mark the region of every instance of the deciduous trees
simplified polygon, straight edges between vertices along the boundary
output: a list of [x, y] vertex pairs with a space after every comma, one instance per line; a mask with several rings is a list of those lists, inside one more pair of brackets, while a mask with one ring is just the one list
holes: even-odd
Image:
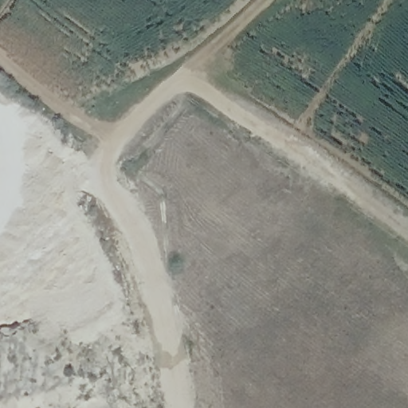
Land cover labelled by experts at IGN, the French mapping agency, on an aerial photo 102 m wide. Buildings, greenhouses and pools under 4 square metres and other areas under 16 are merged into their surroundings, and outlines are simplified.
[[29, 89], [25, 89], [0, 65], [0, 92], [8, 99], [13, 99], [16, 104], [27, 108], [32, 100], [35, 102], [38, 97]]

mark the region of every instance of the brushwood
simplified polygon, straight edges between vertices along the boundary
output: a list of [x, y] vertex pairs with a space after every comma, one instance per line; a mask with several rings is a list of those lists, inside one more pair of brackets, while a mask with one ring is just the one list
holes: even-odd
[[140, 167], [148, 161], [148, 153], [145, 150], [140, 153], [139, 158], [126, 159], [123, 163], [121, 172], [132, 180], [140, 171]]
[[53, 121], [54, 129], [59, 129], [61, 134], [72, 134], [75, 142], [86, 142], [92, 137], [88, 132], [65, 120], [61, 113], [51, 110], [38, 97], [35, 102], [32, 100], [27, 108]]
[[180, 273], [180, 269], [188, 268], [190, 261], [183, 260], [182, 255], [178, 253], [171, 253], [167, 265], [167, 273], [171, 276]]

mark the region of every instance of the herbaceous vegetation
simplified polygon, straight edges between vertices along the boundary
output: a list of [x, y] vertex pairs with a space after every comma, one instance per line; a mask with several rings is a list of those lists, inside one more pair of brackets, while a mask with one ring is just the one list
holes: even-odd
[[84, 368], [96, 359], [96, 352], [84, 346], [78, 357], [84, 357], [84, 360], [80, 362], [78, 370], [73, 368], [72, 376], [96, 381], [96, 373], [88, 373]]
[[86, 142], [75, 142], [72, 134], [61, 134], [61, 142], [65, 147], [81, 151], [86, 156], [91, 156], [99, 147], [99, 143], [96, 137], [92, 137]]
[[116, 252], [118, 242], [115, 239], [115, 223], [107, 214], [107, 210], [97, 204], [96, 196], [84, 191], [78, 206], [83, 207], [86, 215], [91, 218], [92, 225], [96, 226], [97, 237], [112, 265], [116, 284], [121, 284], [124, 274], [129, 271], [129, 265]]
[[349, 220], [352, 225], [362, 228], [365, 233], [365, 247], [371, 253], [379, 253], [381, 257], [387, 252], [390, 255], [398, 253], [398, 257], [402, 257], [408, 263], [408, 241], [376, 218], [367, 217], [357, 204], [339, 193], [335, 198], [335, 217], [338, 220]]
[[164, 408], [163, 390], [142, 400], [135, 389], [132, 390], [132, 394], [135, 397], [135, 408]]

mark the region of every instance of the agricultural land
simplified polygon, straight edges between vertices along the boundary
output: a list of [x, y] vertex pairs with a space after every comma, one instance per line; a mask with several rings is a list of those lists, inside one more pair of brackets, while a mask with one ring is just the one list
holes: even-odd
[[139, 193], [139, 199], [145, 206], [145, 215], [150, 218], [151, 228], [155, 231], [161, 260], [167, 265], [171, 253], [178, 253], [182, 255], [183, 260], [190, 261], [188, 268], [180, 269], [180, 273], [171, 276], [174, 288], [172, 303], [177, 304], [188, 322], [188, 327], [183, 330], [182, 343], [188, 346], [190, 355], [194, 408], [408, 408], [408, 263], [402, 257], [398, 257], [398, 253], [390, 255], [387, 252], [381, 257], [379, 253], [371, 253], [365, 247], [365, 233], [362, 228], [352, 225], [349, 220], [338, 220], [335, 217], [335, 198], [339, 193], [335, 186], [322, 186], [314, 178], [301, 175], [298, 164], [285, 156], [280, 156], [268, 142], [261, 137], [255, 137], [249, 129], [229, 120], [209, 102], [194, 96], [191, 92], [177, 94], [174, 99], [158, 108], [155, 115], [148, 118], [147, 123], [143, 124], [131, 142], [127, 143], [118, 158], [123, 163], [126, 159], [139, 158], [140, 153], [145, 150], [148, 153], [148, 161], [140, 167], [140, 171], [132, 180], [121, 172], [116, 180], [129, 193]]
[[290, 127], [298, 137], [308, 140], [312, 148], [324, 151], [325, 155], [330, 156], [335, 163], [341, 164], [346, 171], [357, 175], [367, 185], [373, 186], [375, 198], [382, 194], [384, 198], [389, 199], [394, 204], [392, 209], [395, 214], [408, 217], [408, 0], [274, 0], [229, 45], [218, 49], [214, 62], [207, 62], [207, 80], [225, 94], [241, 97], [245, 102], [260, 108], [261, 112], [273, 116], [274, 120]]
[[49, 86], [51, 91], [59, 91], [62, 99], [72, 99], [75, 104], [80, 105], [86, 115], [102, 121], [115, 121], [120, 120], [132, 105], [139, 104], [143, 97], [148, 96], [161, 81], [180, 69], [194, 54], [206, 48], [210, 41], [217, 38], [229, 24], [241, 18], [257, 0], [0, 0], [0, 48], [5, 51], [6, 56], [11, 57], [14, 64], [30, 73], [35, 80]]

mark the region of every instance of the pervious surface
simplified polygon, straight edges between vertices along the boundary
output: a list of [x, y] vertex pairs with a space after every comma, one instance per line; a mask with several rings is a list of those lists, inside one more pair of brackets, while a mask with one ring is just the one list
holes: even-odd
[[[143, 97], [139, 104], [132, 105], [120, 120], [115, 121], [112, 137], [99, 143], [99, 147], [91, 156], [86, 156], [81, 151], [65, 147], [61, 142], [61, 134], [59, 129], [54, 129], [53, 121], [27, 108], [16, 104], [13, 99], [8, 99], [0, 92], [0, 408], [135, 408], [135, 397], [132, 394], [132, 390], [135, 389], [142, 400], [163, 390], [164, 408], [194, 408], [190, 355], [188, 346], [182, 343], [183, 330], [188, 327], [188, 322], [177, 304], [172, 303], [174, 288], [171, 276], [167, 273], [167, 265], [161, 260], [155, 231], [151, 228], [150, 218], [145, 215], [145, 206], [139, 199], [139, 193], [129, 193], [116, 180], [121, 172], [123, 163], [118, 158], [127, 143], [131, 142], [143, 124], [147, 123], [148, 118], [155, 115], [158, 108], [174, 99], [177, 94], [191, 92], [194, 96], [209, 102], [229, 120], [249, 129], [255, 137], [261, 137], [268, 142], [280, 156], [285, 156], [298, 164], [301, 175], [314, 178], [322, 186], [335, 186], [339, 193], [357, 204], [367, 217], [376, 218], [408, 241], [408, 217], [395, 214], [392, 209], [394, 204], [389, 199], [384, 198], [382, 194], [375, 198], [373, 186], [367, 185], [357, 175], [346, 171], [341, 164], [335, 163], [330, 156], [325, 155], [324, 151], [312, 148], [308, 140], [298, 137], [290, 127], [274, 120], [273, 116], [261, 112], [260, 108], [245, 102], [241, 97], [225, 94], [207, 80], [207, 62], [214, 62], [218, 49], [229, 45], [274, 0], [257, 0], [241, 18], [229, 24], [217, 38], [210, 41], [206, 48], [194, 54], [180, 69], [161, 81], [148, 96]], [[116, 284], [112, 265], [97, 237], [96, 226], [92, 225], [91, 218], [86, 215], [83, 207], [78, 206], [84, 191], [96, 196], [97, 204], [107, 210], [107, 214], [115, 223], [115, 239], [118, 242], [116, 252], [129, 265], [129, 271], [124, 274], [121, 284]], [[84, 360], [84, 357], [78, 357], [84, 346], [96, 352], [96, 359], [84, 368], [88, 373], [96, 373], [96, 381], [72, 376], [73, 368], [78, 370], [80, 362]]]

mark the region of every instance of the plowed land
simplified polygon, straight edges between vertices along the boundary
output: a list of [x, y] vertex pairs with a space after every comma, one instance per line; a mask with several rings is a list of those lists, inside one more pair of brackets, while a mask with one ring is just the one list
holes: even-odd
[[86, 115], [80, 105], [75, 104], [72, 99], [62, 99], [59, 91], [51, 91], [49, 86], [35, 80], [30, 73], [14, 64], [11, 57], [6, 56], [5, 51], [0, 48], [0, 65], [25, 89], [29, 89], [38, 97], [51, 110], [61, 113], [65, 120], [88, 132], [92, 137], [96, 137], [99, 143], [112, 137], [115, 121], [102, 121]]

